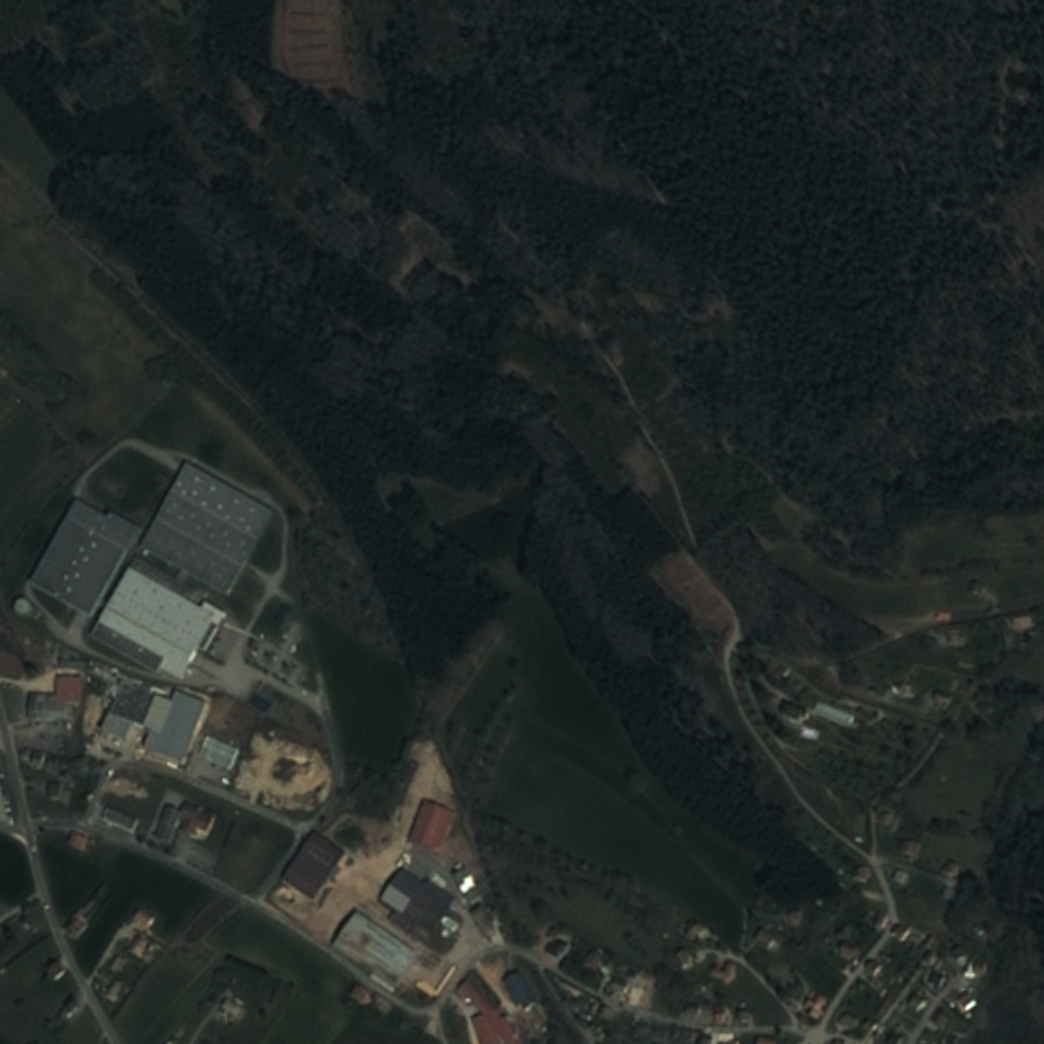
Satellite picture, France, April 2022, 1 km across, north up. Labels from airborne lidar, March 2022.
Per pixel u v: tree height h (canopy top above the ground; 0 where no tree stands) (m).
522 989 0
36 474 0
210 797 0
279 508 0
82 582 0
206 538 0
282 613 0
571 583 28
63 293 0
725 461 22
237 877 0
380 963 0
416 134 24
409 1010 0
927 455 28
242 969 10
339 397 30
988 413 27
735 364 27
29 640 0
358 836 0
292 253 22
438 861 0
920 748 12
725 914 0
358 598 18
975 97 22
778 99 25
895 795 11
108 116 16
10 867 0
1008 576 0
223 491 0
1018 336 26
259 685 0
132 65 30
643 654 30
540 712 0
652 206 21
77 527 0
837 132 27
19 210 0
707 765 25
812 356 27
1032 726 0
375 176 30
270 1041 0
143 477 0
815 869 28
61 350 0
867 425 27
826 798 0
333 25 0
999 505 27
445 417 9
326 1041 0
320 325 20
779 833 24
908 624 0
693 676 21
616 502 11
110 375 0
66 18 15
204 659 0
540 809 0
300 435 18
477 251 20
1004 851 8
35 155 0
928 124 22
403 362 30
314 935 0
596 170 20
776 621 27
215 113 13
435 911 0
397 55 17
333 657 0
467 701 0
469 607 18
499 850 14
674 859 0
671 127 31
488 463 30
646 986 0
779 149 27
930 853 0
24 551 0
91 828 0
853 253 28
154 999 0
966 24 23
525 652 0
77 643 0
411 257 31
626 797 0
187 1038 0
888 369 24
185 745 0
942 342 24
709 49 24
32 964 0
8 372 0
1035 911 29
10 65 16
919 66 24
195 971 0
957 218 28
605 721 0
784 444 22
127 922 0
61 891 0
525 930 7
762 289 27
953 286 24
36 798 0
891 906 0
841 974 0
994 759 0
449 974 0
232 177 29
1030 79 8
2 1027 0
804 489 26
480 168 34
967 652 11
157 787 0
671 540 14
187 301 23
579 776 0
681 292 26
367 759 0
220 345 26
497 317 30
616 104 29
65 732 0
